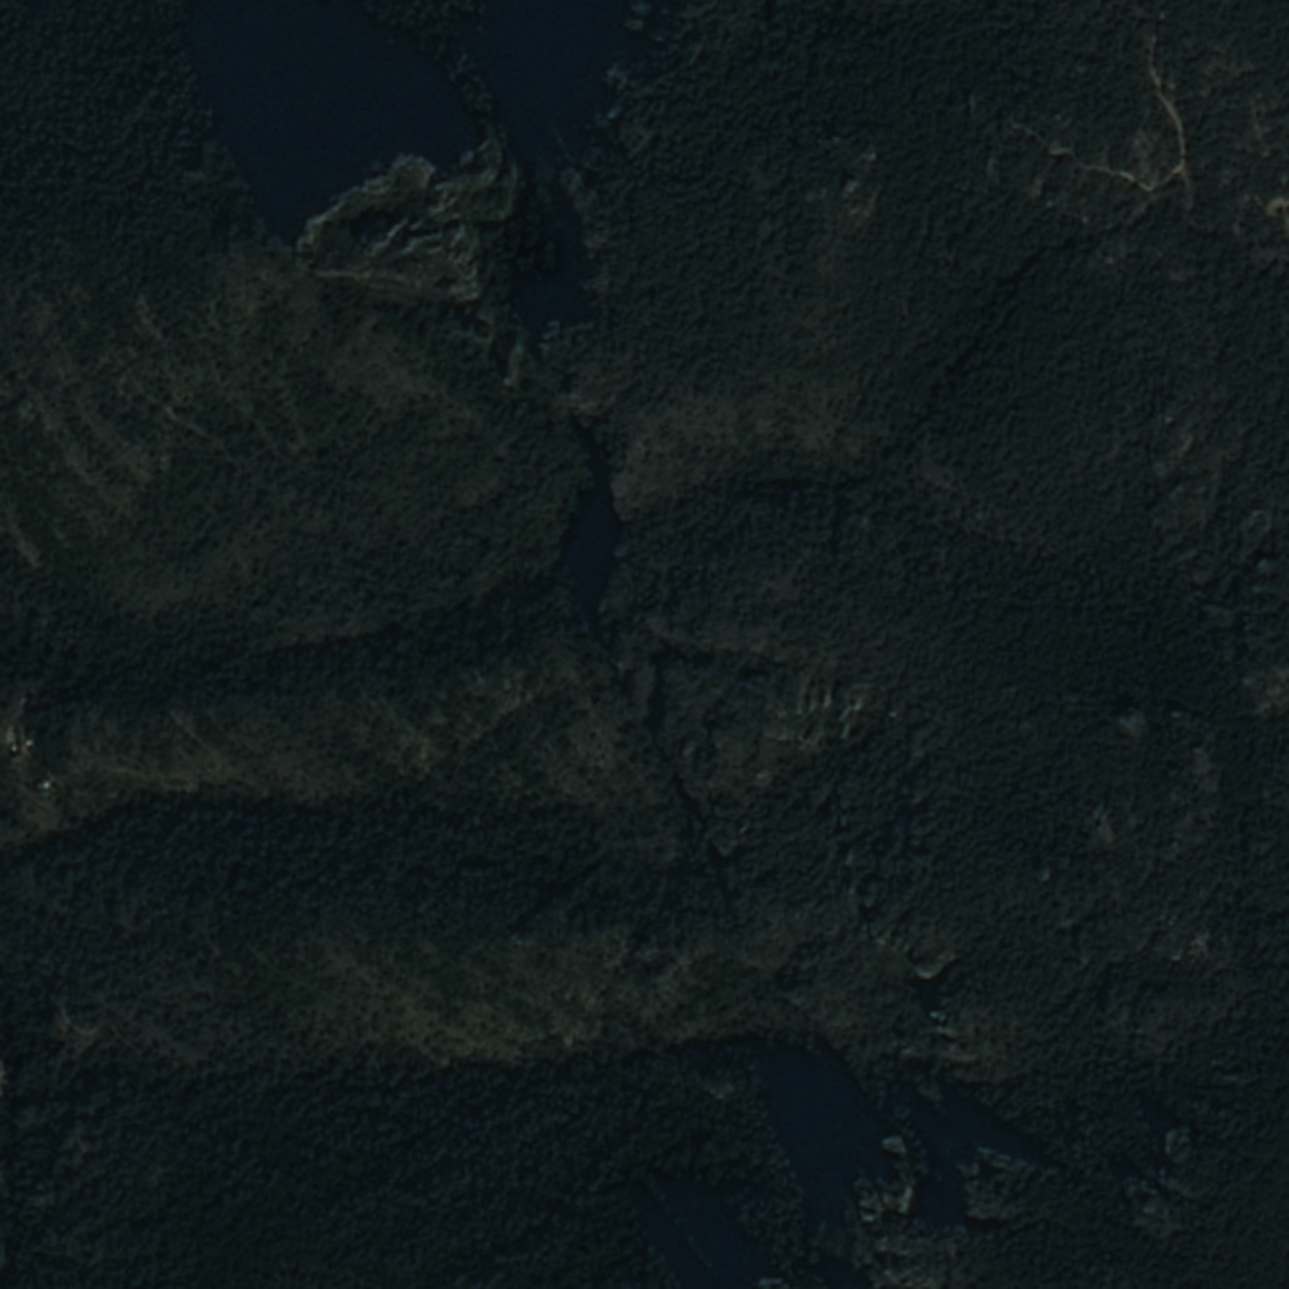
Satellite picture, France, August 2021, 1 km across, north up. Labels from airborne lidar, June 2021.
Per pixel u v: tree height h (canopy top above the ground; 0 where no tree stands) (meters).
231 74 12
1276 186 7
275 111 10
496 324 7
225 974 8
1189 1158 7
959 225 10
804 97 12
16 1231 14
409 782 8
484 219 9
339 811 9
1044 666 7
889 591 7
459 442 7
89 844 10
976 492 6
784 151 7
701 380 6
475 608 9
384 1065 9
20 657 13
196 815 14
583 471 8
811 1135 13
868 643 6
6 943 19
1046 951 8
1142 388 7
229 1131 6
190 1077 10
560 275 9
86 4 11
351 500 6
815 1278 22
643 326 6
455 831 16
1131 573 11
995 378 8
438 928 8
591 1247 11
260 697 9
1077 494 8
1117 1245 11
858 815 7
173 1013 10
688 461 9
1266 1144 7
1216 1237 6
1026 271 12
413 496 6
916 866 6
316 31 8
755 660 10
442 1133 12
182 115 9
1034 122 6
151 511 8
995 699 6
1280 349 8
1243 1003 9
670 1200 6
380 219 12
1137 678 13
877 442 7
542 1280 10
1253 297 10
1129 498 6
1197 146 6
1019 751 7
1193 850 10
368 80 14
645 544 10
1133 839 7
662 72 10
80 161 10
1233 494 6
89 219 7
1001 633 6
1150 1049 9
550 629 8
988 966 7
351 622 10
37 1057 10
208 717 6
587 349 9
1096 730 11
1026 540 8
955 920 10
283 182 11
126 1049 9
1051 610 10
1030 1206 10
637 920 7
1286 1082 9
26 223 6
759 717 6
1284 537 8
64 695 12
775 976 7
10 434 7
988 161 6
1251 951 9
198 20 10
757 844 8
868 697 6
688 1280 7
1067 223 12
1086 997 9
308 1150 12
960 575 13
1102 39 7
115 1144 11
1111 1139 11
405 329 7
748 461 8
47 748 9
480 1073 8
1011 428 6
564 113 34
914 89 9
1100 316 7
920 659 7
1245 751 15
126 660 10
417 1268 10
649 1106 16
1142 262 7
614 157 7
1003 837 7
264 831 12
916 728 6
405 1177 12
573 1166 11
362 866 10
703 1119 10
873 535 6
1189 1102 12
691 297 9
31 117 10
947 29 12
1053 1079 8
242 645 6
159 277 8
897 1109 12
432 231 11
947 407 13
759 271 9
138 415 8
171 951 9
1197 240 10
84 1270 9
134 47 7
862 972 7
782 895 7
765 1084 7
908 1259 11
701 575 9
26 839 10
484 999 7
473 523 8
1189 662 12
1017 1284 6
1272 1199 11
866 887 9
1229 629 7
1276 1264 12
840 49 15
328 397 7
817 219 6
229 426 7
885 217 9
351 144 11
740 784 6
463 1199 14
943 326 10
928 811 8
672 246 7
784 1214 15
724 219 8
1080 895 8
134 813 15
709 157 8
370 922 7
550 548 7
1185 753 8
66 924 16
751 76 12
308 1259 6
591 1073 12
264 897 11
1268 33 7
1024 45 10
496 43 17
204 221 6
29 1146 13
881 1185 7
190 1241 7
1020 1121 9
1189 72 6
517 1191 10
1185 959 11
